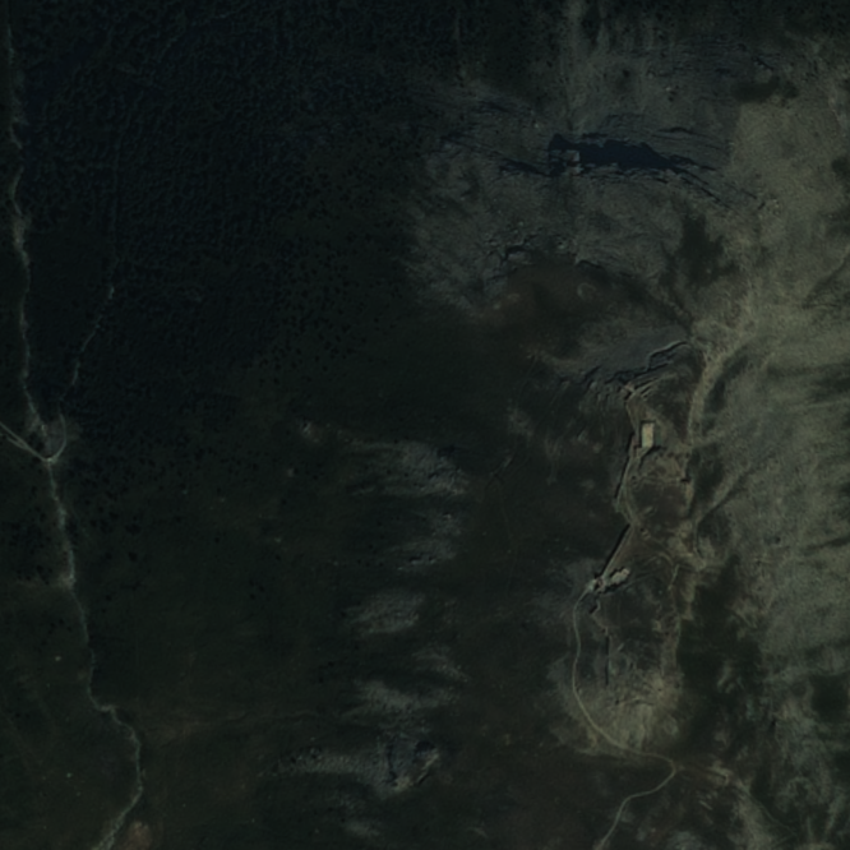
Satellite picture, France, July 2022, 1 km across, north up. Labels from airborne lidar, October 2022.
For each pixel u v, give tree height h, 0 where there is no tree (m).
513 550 0
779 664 0
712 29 0
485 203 0
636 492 0
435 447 0
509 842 0
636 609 0
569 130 0
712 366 11
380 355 0
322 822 0
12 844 0
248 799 0
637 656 0
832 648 0
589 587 0
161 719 0
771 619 0
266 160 8
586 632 0
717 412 0
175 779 0
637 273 0
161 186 19
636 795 0
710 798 0
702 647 0
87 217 14
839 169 0
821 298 0
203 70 17
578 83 0
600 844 0
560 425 0
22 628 0
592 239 0
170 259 17
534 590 0
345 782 0
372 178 7
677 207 0
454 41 11
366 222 0
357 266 0
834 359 0
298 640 0
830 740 0
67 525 0
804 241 0
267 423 0
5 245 9
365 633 0
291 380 0
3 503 0
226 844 0
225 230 11
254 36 10
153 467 10
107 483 15
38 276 5
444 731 0
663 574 0
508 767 0
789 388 0
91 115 12
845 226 0
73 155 13
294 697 0
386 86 8
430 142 0
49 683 0
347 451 0
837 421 0
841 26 8
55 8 16
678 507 0
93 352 11
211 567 0
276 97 14
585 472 0
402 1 12
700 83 0
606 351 0
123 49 7
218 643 0
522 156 0
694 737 0
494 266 0
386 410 0
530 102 0
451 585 0
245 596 0
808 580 0
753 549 0
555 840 0
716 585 0
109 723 0
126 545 0
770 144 0
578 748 0
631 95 0
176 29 16
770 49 0
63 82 25
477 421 0
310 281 8
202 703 0
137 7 15
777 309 0
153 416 5
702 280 0
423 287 0
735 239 0
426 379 0
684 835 0
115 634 0
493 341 0
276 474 0
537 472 0
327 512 0
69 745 0
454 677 0
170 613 0
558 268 0
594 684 0
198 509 0
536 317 0
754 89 0
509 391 0
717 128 0
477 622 0
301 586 0
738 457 0
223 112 17
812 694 0
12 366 6
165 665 0
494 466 0
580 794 0
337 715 0
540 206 0
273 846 0
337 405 0
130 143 16
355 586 0
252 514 0
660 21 10
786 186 0
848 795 0
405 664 0
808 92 0
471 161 0
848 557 0
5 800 0
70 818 0
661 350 0
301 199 8
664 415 0
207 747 0
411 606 0
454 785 0
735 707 0
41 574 9
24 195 5
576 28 0
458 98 0
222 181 7
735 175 0
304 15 16
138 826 0
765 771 0
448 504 0
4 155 19
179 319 16
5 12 6
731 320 0
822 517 0
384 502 0
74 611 0
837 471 0
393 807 0
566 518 0
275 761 0
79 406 11
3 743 0
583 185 0
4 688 0
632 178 0
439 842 0
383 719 0
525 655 0
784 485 0
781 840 0
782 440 0
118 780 0
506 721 0
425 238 0
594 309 0
